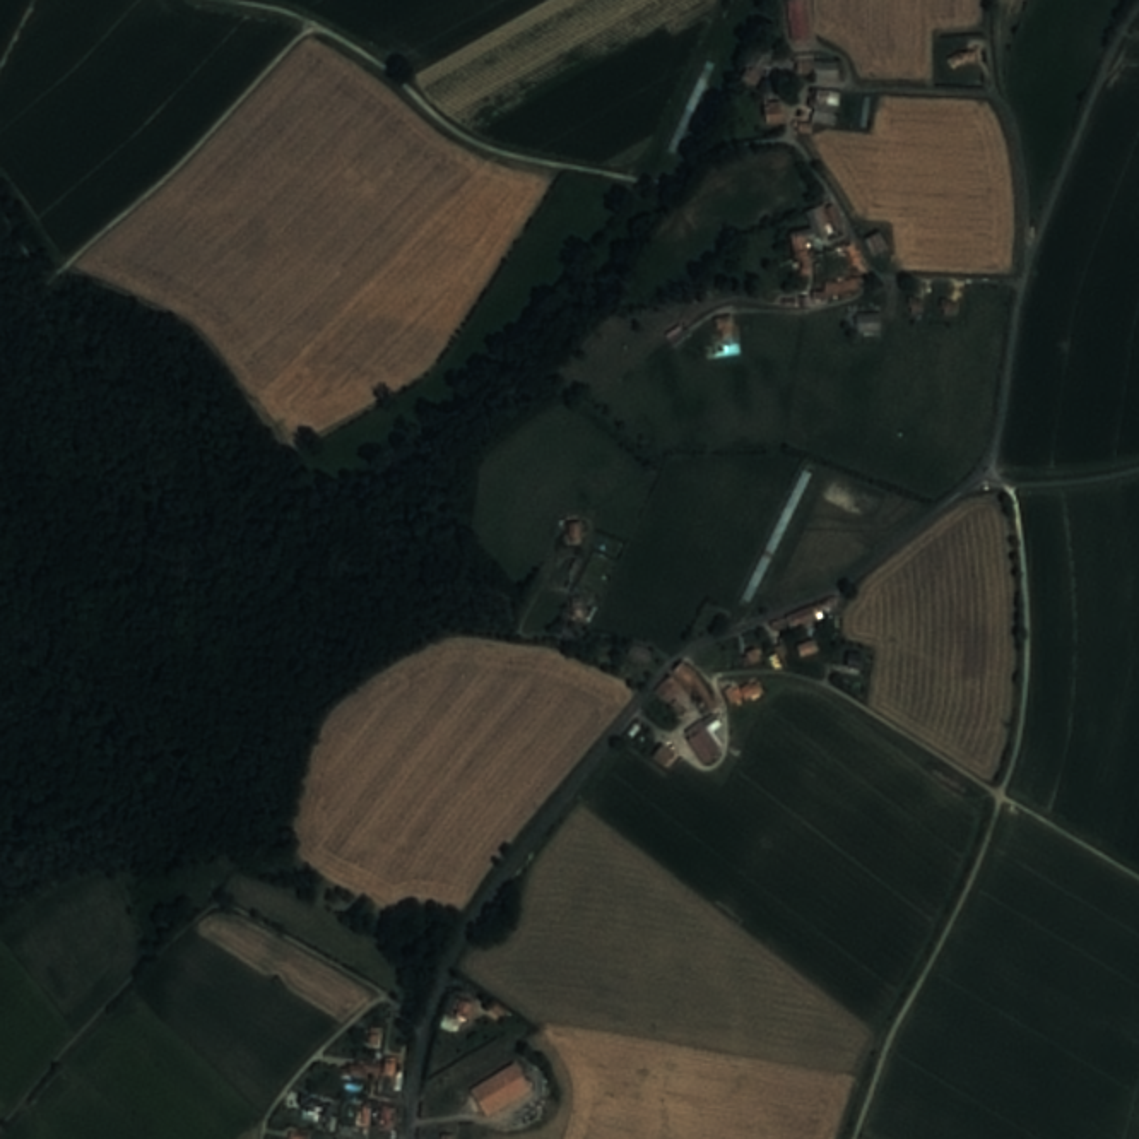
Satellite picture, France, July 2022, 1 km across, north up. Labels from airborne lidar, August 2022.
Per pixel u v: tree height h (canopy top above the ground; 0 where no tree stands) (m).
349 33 0
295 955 0
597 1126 0
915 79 0
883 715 0
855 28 0
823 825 0
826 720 0
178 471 18
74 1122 0
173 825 24
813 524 0
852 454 0
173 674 22
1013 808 0
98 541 18
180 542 30
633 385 0
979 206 0
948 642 0
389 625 26
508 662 0
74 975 0
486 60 0
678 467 0
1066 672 0
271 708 22
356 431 0
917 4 0
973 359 0
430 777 0
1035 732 0
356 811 0
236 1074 0
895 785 0
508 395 22
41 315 21
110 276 0
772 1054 0
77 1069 0
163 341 16
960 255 0
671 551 0
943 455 0
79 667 27
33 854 21
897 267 0
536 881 0
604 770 0
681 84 0
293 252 0
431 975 12
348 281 0
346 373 0
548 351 25
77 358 20
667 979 0
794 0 0
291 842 17
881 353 0
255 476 24
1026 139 0
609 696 0
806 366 0
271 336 0
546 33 0
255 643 24
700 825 0
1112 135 0
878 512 0
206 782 27
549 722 0
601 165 0
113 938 0
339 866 0
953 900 0
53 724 25
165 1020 0
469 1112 0
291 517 27
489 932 18
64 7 0
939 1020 0
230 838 16
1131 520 0
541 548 0
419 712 0
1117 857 0
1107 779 0
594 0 0
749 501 0
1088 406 0
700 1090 0
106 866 12
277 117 0
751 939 0
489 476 0
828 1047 0
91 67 0
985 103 0
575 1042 0
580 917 0
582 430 0
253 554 20
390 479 23
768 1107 0
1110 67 0
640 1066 0
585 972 0
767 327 0
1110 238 0
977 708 0
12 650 23
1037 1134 0
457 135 0
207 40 0
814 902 0
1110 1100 0
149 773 29
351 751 0
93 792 25
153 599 15
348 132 0
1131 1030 0
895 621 0
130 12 0
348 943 0
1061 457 0
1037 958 0
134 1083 0
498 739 0
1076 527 0
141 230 0
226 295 0
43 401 23
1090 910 0
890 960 0
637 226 13
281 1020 0
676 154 0
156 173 0
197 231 0
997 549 0
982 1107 0
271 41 0
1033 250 0
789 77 18
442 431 27
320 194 0
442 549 26
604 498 0
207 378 13
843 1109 0
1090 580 0
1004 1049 0
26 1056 0
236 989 0
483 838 0
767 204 0
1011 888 0
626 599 0
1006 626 0
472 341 0
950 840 0
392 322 0
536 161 0
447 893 0
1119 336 0
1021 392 0
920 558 0
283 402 0
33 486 17
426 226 0
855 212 0
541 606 0
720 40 0
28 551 26
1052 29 0
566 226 0
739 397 0
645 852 0
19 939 0
